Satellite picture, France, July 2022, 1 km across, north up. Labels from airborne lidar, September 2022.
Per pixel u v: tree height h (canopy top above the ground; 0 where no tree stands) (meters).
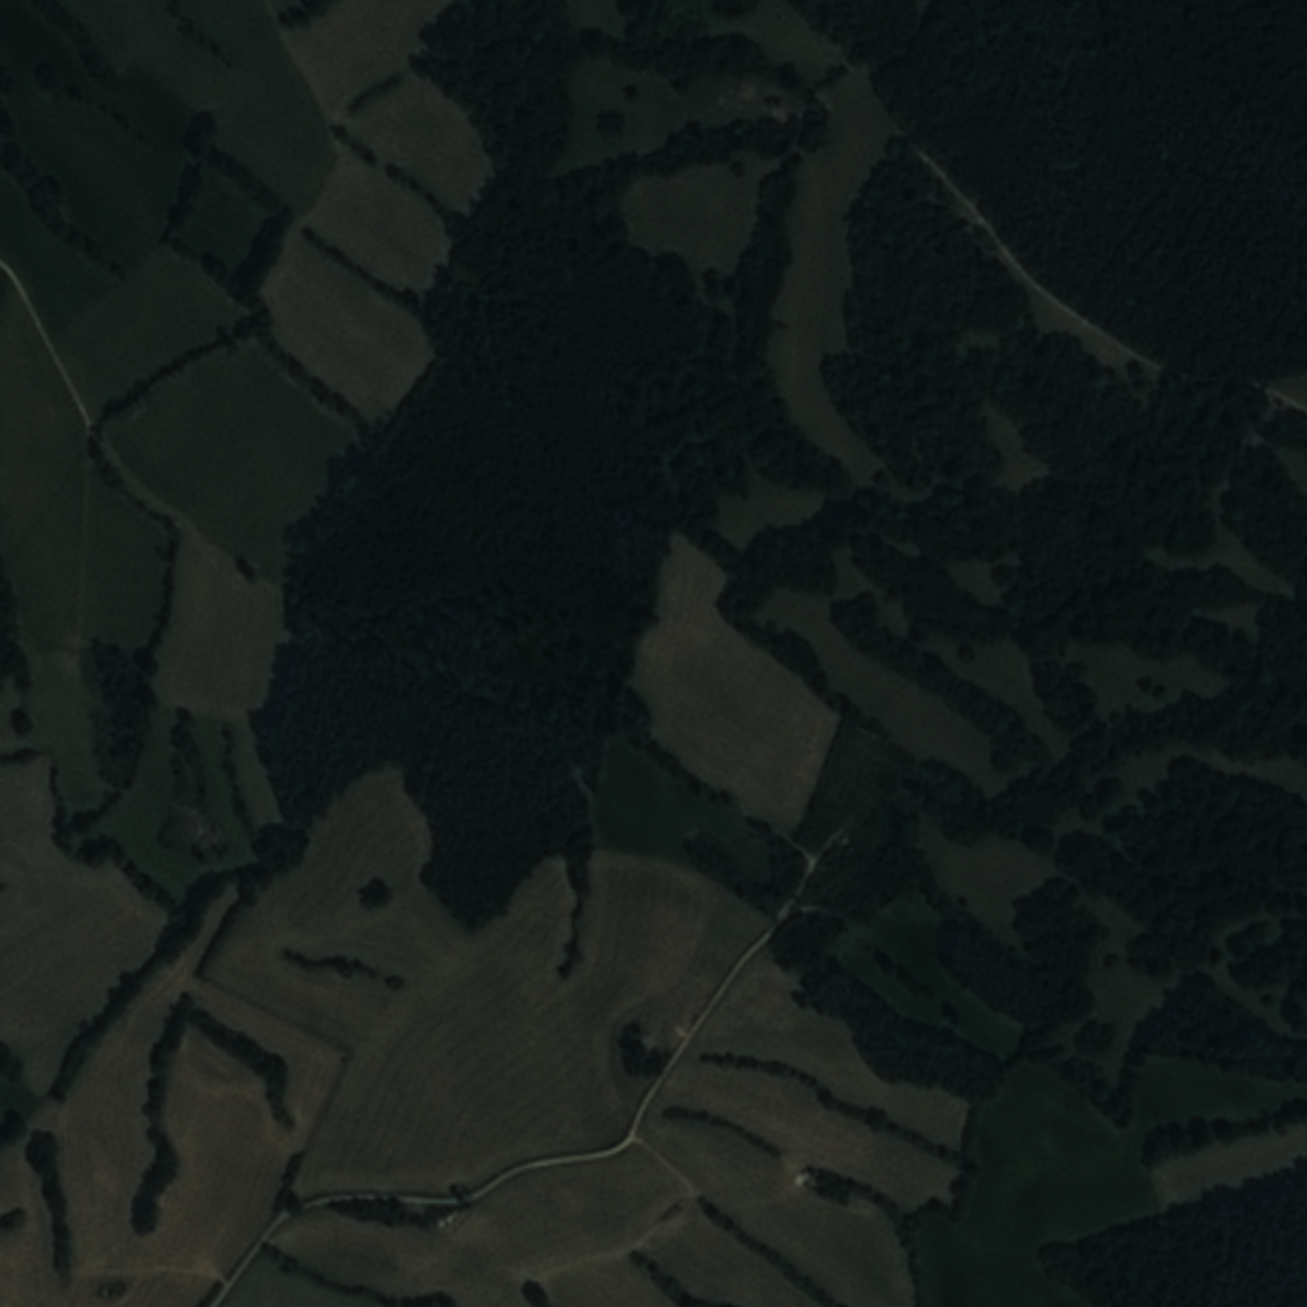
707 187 0
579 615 16
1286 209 19
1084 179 9
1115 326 10
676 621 0
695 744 0
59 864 0
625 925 0
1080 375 8
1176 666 0
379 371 0
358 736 23
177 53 0
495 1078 0
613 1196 0
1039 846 20
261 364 0
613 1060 0
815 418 0
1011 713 14
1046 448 13
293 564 8
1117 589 24
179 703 0
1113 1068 0
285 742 26
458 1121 0
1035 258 15
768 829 12
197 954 0
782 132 10
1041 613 11
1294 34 11
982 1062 23
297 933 0
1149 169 15
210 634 0
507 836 14
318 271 0
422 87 0
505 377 8
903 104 15
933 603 16
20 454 0
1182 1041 10
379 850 0
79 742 0
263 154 0
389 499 12
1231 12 11
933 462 9
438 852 9
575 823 15
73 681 0
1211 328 16
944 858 0
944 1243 0
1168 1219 10
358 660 21
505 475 5
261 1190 0
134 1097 0
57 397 0
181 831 0
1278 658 15
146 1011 0
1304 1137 0
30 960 0
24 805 0
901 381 16
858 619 11
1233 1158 0
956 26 15
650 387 18
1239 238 14
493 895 14
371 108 0
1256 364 16
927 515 21
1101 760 11
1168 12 16
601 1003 0
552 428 6
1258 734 22
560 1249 0
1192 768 12
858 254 15
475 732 22
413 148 0
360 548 10
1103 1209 0
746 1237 6
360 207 0
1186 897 19
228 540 0
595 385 8
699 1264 0
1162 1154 17
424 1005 0
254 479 0
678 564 0
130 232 0
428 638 21
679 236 0
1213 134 18
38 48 0
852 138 0
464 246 12
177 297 0
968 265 11
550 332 7
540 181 15
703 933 0
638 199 0
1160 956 11
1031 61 8
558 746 28
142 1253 0
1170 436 10
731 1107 0
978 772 0
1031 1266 0
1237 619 0
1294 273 17
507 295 9
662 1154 0
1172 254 15
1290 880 10
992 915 0
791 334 0
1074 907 11
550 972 0
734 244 0
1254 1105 0
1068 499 13
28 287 0
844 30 7
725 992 0
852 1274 0
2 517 0
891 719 0
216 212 0
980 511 18
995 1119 0
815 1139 0
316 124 0
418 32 0
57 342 0
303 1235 0
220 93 0
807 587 12
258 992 0
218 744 0
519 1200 0
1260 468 13
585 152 0
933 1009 0
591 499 10
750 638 15
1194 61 13
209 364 0
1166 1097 0
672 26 11
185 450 0
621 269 8
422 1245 0
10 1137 12
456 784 26
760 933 0
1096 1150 0
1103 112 12
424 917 0
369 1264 0
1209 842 20
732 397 19
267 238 15
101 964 0
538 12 25
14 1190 0
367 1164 0
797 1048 0
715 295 11
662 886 0
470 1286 0
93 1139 0
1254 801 22
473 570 11
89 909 0
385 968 0
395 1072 0
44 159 0
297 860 16
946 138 10
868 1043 22
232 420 0
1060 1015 9
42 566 0
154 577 0
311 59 0
